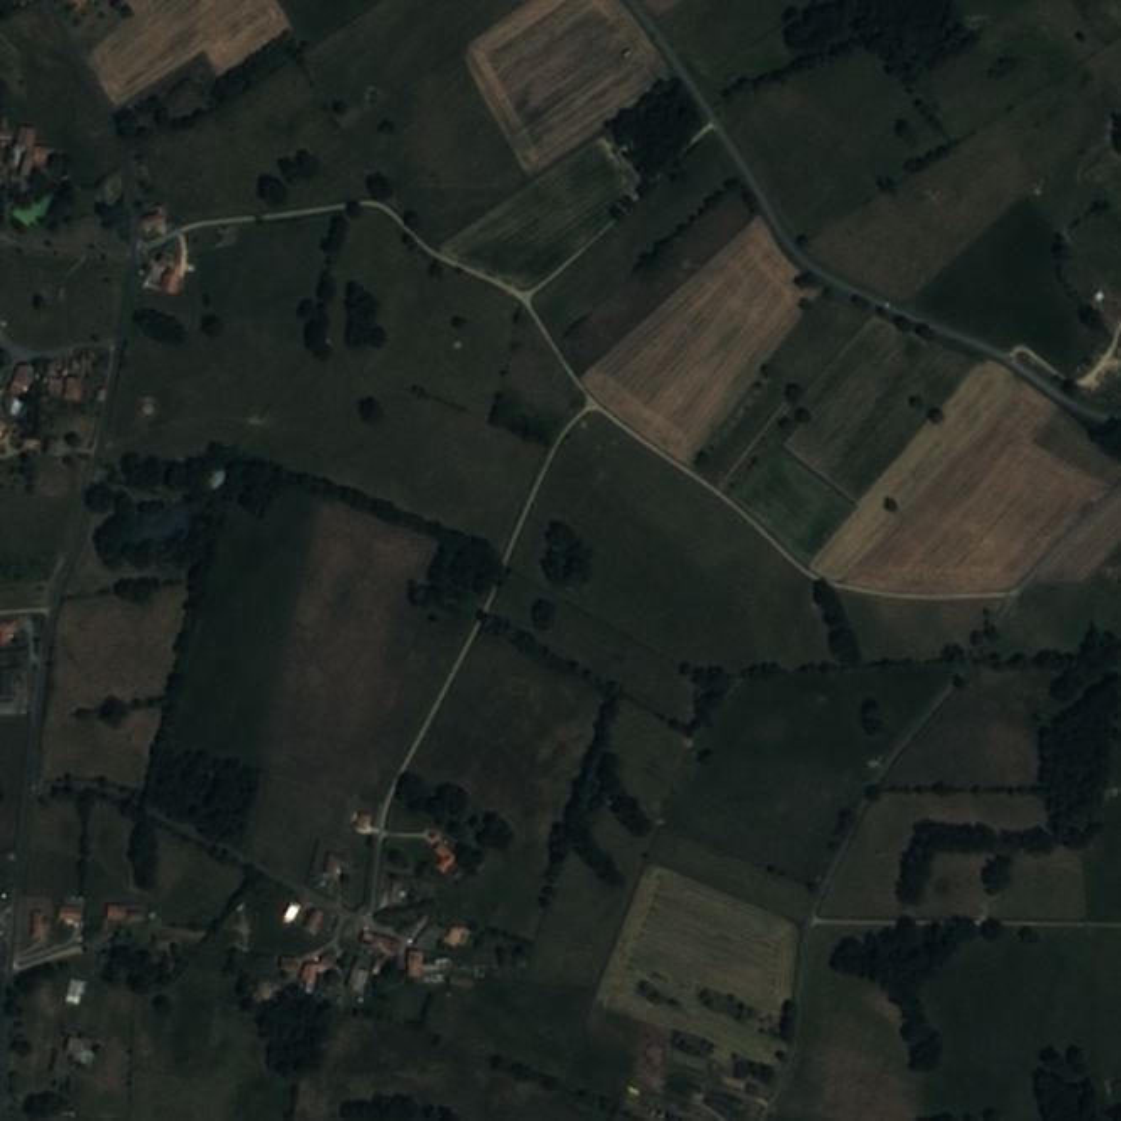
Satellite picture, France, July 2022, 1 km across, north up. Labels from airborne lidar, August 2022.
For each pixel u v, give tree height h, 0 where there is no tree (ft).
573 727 0
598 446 0
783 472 0
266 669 0
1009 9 0
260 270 0
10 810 0
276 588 0
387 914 20
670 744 0
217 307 0
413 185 0
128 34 0
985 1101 0
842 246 0
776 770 0
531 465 0
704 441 0
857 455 0
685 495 0
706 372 0
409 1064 0
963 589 0
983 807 0
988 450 0
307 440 0
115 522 51
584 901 0
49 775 0
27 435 21
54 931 0
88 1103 0
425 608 71
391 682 0
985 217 0
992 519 0
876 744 0
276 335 0
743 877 0
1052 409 0
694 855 0
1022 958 0
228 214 0
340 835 0
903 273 0
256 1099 0
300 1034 28
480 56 0
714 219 0
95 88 0
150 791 34
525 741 0
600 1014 0
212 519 51
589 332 0
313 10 0
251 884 27
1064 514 0
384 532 0
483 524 0
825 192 0
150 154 0
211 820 44
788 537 0
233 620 0
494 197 0
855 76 0
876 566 0
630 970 0
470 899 0
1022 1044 0
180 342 58
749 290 0
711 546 0
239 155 0
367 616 0
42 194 39
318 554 0
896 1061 0
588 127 0
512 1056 0
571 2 0
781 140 0
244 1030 0
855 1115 0
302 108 0
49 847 0
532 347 0
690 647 0
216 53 0
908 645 0
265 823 0
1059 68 0
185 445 0
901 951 84
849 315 0
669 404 0
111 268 0
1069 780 64
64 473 0
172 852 0
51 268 0
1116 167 0
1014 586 0
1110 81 0
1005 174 0
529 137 0
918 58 65
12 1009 44
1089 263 0
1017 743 0
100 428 0
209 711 0
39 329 0
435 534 50
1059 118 0
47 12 0
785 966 0
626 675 0
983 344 0
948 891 0
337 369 0
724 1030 0
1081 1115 57
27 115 0
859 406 0
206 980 0
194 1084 0
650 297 0
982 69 0
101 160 0
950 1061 0
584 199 0
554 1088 43
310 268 0
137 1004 0
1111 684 61
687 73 0
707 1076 0
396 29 0
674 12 0
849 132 0
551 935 0
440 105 0
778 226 0
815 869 0
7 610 0
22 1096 0
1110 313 0
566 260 0
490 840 51
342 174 0
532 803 0
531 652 48
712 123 0
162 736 33
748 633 0
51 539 0
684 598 0
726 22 0
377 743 0
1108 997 0
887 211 0
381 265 0
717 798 0
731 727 0
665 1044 0
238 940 0
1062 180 0
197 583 58
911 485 0
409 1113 79
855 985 0
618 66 0
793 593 0
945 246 0
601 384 0
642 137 57
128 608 0
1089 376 0
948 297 0
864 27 66
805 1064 0
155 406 0
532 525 0
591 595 0
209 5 0
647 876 0
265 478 48
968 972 0
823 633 0
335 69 0
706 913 0
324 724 0
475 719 0
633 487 0
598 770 43
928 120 22
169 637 0
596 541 0
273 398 0
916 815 0
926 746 0
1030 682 0
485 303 0
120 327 0
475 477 0
